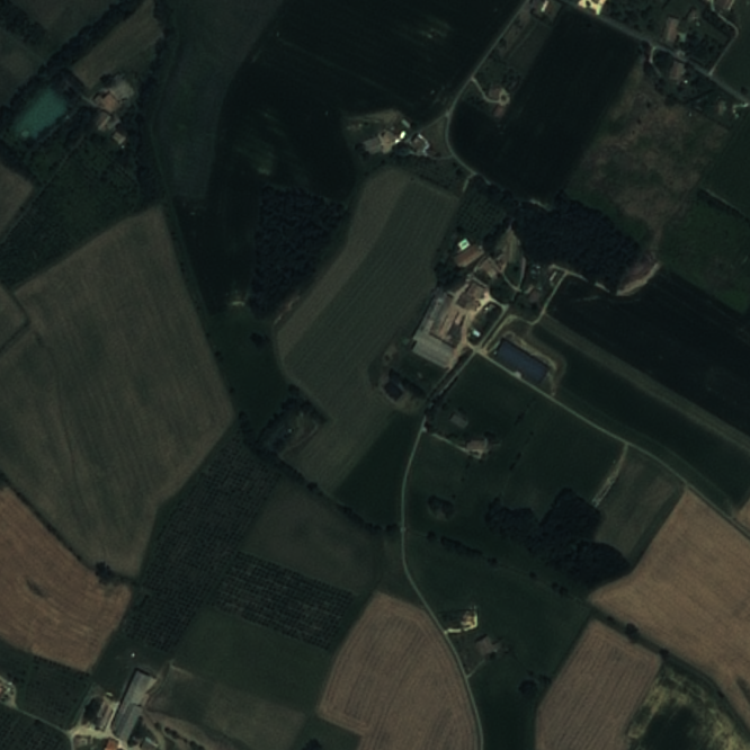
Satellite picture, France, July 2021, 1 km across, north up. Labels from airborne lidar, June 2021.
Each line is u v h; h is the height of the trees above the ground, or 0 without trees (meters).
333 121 0
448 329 0
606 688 0
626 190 0
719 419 0
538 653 0
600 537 0
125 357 0
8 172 0
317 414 13
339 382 0
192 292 0
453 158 0
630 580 0
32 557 0
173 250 0
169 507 0
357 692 0
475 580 0
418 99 0
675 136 0
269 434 15
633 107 0
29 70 0
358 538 0
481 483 0
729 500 0
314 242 21
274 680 0
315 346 0
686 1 0
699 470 0
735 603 0
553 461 0
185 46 0
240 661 0
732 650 0
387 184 0
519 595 0
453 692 0
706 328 0
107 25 18
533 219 21
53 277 0
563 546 25
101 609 0
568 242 20
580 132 0
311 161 0
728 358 0
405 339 0
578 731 0
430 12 0
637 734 0
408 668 0
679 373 0
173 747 0
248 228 0
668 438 0
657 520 0
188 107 0
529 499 0
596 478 0
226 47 0
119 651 0
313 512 0
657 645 0
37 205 6
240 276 0
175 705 0
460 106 0
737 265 0
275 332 0
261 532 0
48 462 0
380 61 0
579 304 0
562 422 0
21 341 0
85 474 0
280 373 0
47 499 0
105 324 0
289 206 21
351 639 0
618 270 9
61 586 0
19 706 0
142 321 0
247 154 0
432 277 0
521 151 0
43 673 0
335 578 0
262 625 5
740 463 0
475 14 0
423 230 0
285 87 0
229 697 0
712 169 0
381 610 0
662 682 0
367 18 0
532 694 19
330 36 0
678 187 0
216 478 5
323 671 0
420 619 0
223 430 0
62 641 0
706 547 0
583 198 0
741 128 0
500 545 0
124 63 0
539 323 0
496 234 9
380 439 0
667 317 0
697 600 0
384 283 0
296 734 0
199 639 0
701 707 0
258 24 0
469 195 0
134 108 6
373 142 0
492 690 0
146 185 28
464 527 0
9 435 0
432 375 0
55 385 0
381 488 0
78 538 0
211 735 0
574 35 0
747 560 0
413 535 0
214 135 0
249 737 0
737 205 0
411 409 0
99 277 0
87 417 0
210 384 0
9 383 0
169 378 0
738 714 0
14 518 0
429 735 0
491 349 0
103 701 0
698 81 11
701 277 0
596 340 0
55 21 0
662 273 0
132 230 0
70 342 0
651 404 0
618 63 0
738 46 0
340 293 0
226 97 0
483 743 0
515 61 0
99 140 12
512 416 0
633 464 0
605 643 0
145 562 0
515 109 0
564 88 0
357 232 0
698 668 0
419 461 0
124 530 0
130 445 0
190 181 0
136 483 0
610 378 0
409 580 0
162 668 0
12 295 0
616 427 0
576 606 0
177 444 0
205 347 0
